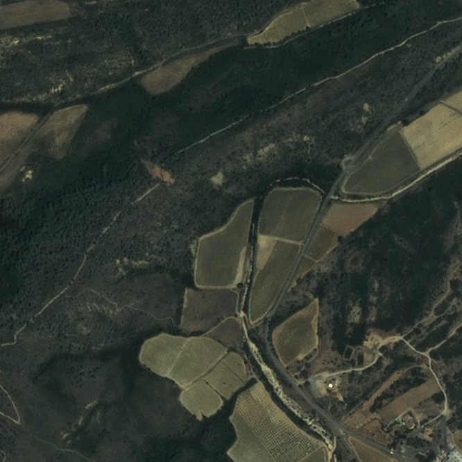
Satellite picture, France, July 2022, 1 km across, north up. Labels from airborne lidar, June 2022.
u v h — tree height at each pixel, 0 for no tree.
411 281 0
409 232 0
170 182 0
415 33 10
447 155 0
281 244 0
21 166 0
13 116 0
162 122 0
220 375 0
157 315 0
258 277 0
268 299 0
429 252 0
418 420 0
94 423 0
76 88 9
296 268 0
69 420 0
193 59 0
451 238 0
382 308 0
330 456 0
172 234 10
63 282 12
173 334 10
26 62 8
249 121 9
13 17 0
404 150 0
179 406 0
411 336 0
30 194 7
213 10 6
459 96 0
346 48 12
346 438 0
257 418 0
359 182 0
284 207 0
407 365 0
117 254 8
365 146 0
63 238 11
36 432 0
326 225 0
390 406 0
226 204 8
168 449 8
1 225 14
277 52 5
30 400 0
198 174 9
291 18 0
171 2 9
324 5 0
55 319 10
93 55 0
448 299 0
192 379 0
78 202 12
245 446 0
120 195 11
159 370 0
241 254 0
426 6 6
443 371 0
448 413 0
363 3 11
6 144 0
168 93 7
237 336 0
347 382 0
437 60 0
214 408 0
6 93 10
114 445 0
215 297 0
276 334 0
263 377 6
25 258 14
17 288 11
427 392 0
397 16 9
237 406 0
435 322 0
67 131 0
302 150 15
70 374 9
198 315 0
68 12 0
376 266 0
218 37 12
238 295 0
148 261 8
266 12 14
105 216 12
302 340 0
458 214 0
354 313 0
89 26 10
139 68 8
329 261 0
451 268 0
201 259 0
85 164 10
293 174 12
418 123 0
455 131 0
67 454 0
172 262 17
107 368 0
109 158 13
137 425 0
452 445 0
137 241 15
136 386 0
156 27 11
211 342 0
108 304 0
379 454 0
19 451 0
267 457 0
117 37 6
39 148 0
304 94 8
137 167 11
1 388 7
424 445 14
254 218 13
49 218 17
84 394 0
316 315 0
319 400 0
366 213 0
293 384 0
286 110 0
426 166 0
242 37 7
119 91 8
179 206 17
